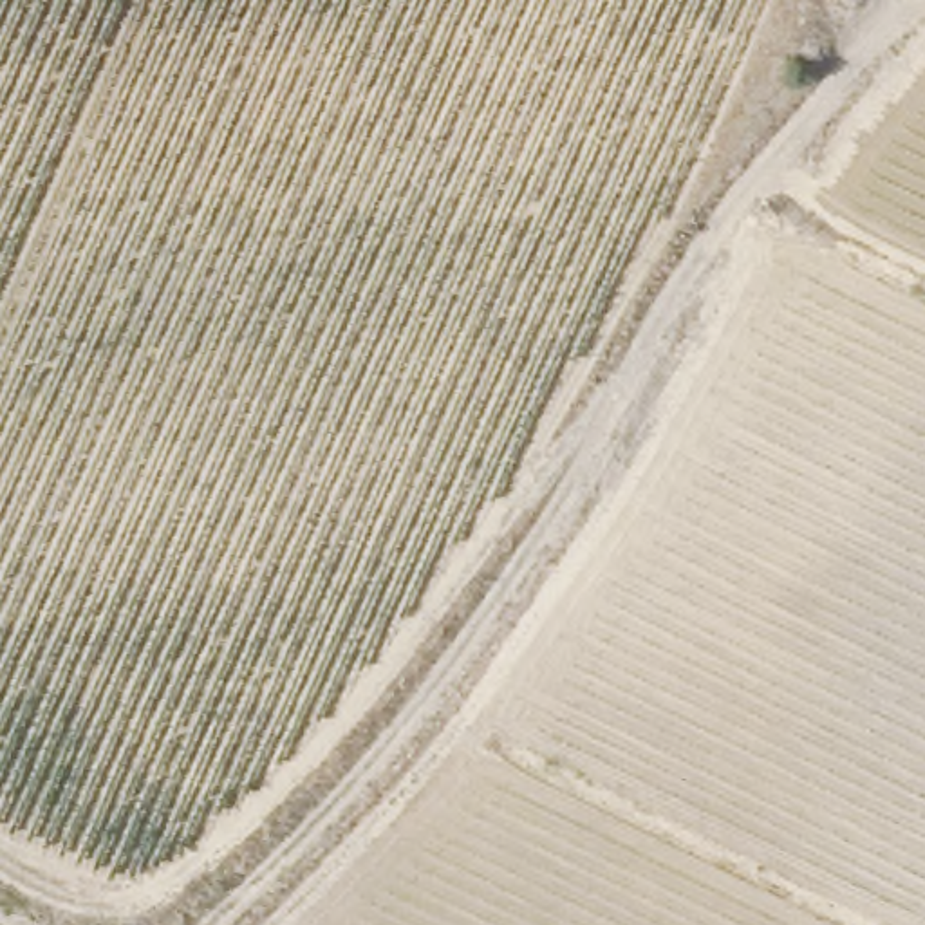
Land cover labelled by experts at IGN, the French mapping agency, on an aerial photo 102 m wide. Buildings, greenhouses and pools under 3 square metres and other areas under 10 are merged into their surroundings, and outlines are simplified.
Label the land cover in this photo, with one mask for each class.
<instances>
[{"label":"vineyard","instance_id":"1","mask_svg":"<svg viewBox=\"0 0 925 925\"><path fill-rule=\"evenodd\" d=\"M867 0H0V827H7L11 835H25L33 842L40 838L58 853L90 860L108 874H148L170 864L173 856L195 849L210 827V817L235 809L246 795L260 791L267 784L271 766H285L296 759L311 723H325L336 715L354 668H369L383 658L394 621L419 614L444 553L470 542L481 509L488 502H499L517 484L524 455L538 434V423L553 394L564 383L567 365L589 358L596 369L582 383L578 397L571 401L553 434V441L567 437V430L593 401V394L625 361L647 311L654 307L672 271L683 264L690 242L708 228L712 213L733 188V181L744 177L759 152L806 105L813 87H799L788 65L795 58L838 54L864 29ZM611 463L625 466V477L614 491H603L589 524L582 528L567 556L553 567V575L546 578V585L538 589L535 603L517 621L509 640L499 647L495 661L466 697L463 712L452 719H444L441 712L426 715L412 741L390 759L387 773L369 784V795L347 806V813L322 835V842L285 874H278V885L253 900L231 925H296L350 871V864L369 849V842L390 827V820L430 780V773L441 770L444 755L455 762L459 784H470L473 777H495L502 784L520 788L524 795H535L542 780H553L560 788L578 791L582 799L603 802L625 820L665 831L705 856L737 864L748 878L773 882L788 889L795 900L817 907L820 914L842 918L846 925H925V29L911 40V47L900 58H892V65L878 72L874 87L835 130L827 159L784 173V195L759 199L755 217H744L737 224L730 264L708 278L705 304L697 300L679 311L672 340L658 354L650 379L643 383L640 397L625 408V430L611 434ZM575 459H560L556 473L535 499V506L506 535L495 538V553L488 556V564L466 582L463 596L452 603L441 625L426 632L405 672L394 676L383 701L369 708V715L332 748V755L322 759L318 770L307 773L289 791V799L278 802L267 813V820L246 842H238L213 871H202L166 907H152L126 925H195L260 867V860L282 838H289L300 827V820L354 770L361 752L372 748L379 730L394 723L405 701L416 694V687L437 665V658L448 650V643L459 636V629L473 618L491 582L509 564V556L542 520L560 484L571 477ZM18 914L43 925H123L116 918L61 914L47 903L29 900Z\"/></svg>","mask_w":925,"mask_h":925},{"label":"plowed land","instance_id":"2","mask_svg":"<svg viewBox=\"0 0 925 925\"><path fill-rule=\"evenodd\" d=\"M506 513L499 502H488L481 509L470 542L444 553L419 614L394 621L383 658L369 668H354L336 715L325 723H311L296 759L285 766H271L267 784L260 791L246 795L235 809L210 817V827L195 849L173 856L170 864L148 874H108L90 860L58 853L40 838L33 842L25 835H11L7 827H0V925H43L18 914L29 900L47 903L61 914L116 918L123 925H126L152 907H166L202 871H213L238 842H246L267 820V813L278 802L289 799V791L307 773L318 770L322 759L332 755V748L369 715V708L383 701L394 676L405 672L426 632L441 625L452 603L463 596L466 582L488 564V556L495 553V538L506 535ZM296 925H846L842 918L820 914L817 907L795 900L788 889L773 882L748 878L737 864L705 856L665 831L625 820L603 802L582 799L578 791L560 788L553 780H542L535 795H524L520 788L502 784L495 777H473L470 784H459L455 762L444 755L441 770L430 773V780L390 820V827L369 842V849L350 864V871Z\"/></svg>","mask_w":925,"mask_h":925},{"label":"pervious surface","instance_id":"3","mask_svg":"<svg viewBox=\"0 0 925 925\"><path fill-rule=\"evenodd\" d=\"M925 29V0H867L864 29L838 54L842 69L813 87L806 105L759 152L744 177L733 181V188L712 213L708 228L690 242L683 264L672 271L654 307L647 311L625 361L593 394V401L567 430V437L553 441V434L571 401L578 397L582 383L596 369L589 358L567 365L564 383L553 394L538 423V434L524 455L517 484L499 502L506 513V535L535 506V499L556 473L560 459H575L571 477L560 484L542 520L509 556V564L491 582L473 618L459 629V636L448 643V650L437 658V665L416 687V694L405 701L394 723L379 730L372 748L361 752L354 770L300 820V827L289 838H282L260 860V867L195 925H231L253 900L278 885V874H285L322 842V835L347 813V806L369 795V784L387 773L390 759L412 741L426 715L441 712L444 719H452L463 712L466 697L495 661L499 647L509 640L517 621L535 603L538 589L546 585V578L553 575V567L567 556L582 528L589 524L603 491H614L625 477V466L611 463V434L625 430V408L640 397L643 383L650 379L658 354L672 340L679 311L697 300L705 304L708 278L730 264L737 224L744 217H755L759 199L784 195V173L827 159L835 130L874 87L878 72L892 65V58H900L911 47V40Z\"/></svg>","mask_w":925,"mask_h":925},{"label":"herbaceous vegetation","instance_id":"4","mask_svg":"<svg viewBox=\"0 0 925 925\"><path fill-rule=\"evenodd\" d=\"M799 87H813L842 69L838 54L795 58L788 65Z\"/></svg>","mask_w":925,"mask_h":925}]
</instances>
